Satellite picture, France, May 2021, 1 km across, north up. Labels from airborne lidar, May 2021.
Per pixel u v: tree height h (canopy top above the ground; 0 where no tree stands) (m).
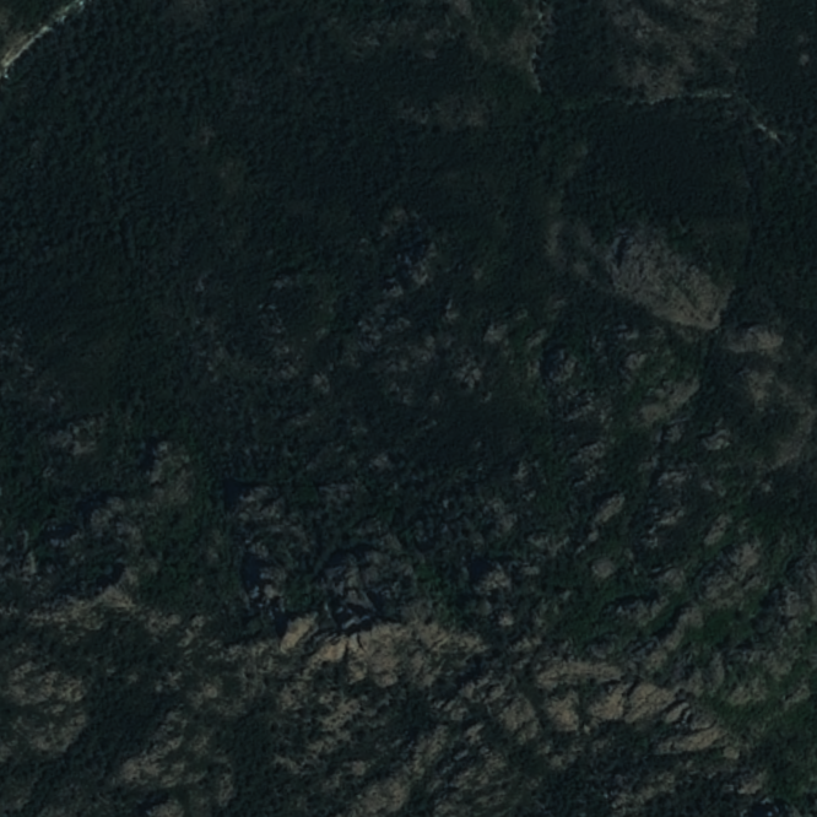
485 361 19
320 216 8
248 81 27
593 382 8
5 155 17
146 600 7
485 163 11
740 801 21
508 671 14
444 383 8
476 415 8
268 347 12
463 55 19
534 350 10
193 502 12
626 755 19
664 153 16
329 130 10
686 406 9
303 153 13
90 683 17
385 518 12
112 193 6
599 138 13
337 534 21
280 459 17
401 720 6
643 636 14
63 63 27
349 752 9
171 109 9
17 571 18
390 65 10
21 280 14
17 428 11
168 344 12
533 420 11
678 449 11
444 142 15
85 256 14
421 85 14
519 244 16
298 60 19
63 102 7
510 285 14
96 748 7
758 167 11
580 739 7
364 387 13
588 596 24
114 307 20
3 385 17
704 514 10
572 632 7
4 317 10
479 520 11
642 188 17
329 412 6
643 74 0
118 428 15
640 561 9
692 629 7
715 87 23
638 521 11
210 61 23
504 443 9
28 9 9
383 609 24
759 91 12
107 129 16
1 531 7
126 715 14
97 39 20
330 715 13
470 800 8
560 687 10
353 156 15
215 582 9
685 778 9
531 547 6
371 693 15
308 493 13
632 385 6
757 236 18
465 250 11
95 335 10
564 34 12
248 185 13
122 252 11
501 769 9
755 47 12
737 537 7
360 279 11
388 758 6
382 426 12
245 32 9
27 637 14
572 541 7
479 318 8
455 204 11
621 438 8
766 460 8
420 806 24
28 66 17
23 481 18
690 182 15
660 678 19
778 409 14
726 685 7
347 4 20
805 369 7
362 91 16
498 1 7
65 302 12
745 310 12
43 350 6
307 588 23
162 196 15
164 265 7
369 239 6
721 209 9
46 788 14
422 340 10
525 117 13
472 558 18
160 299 15
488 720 12
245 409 15
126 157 21
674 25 10
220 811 11
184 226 20
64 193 11
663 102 7
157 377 9
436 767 6
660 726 13
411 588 13
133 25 10
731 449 9
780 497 10
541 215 7
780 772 14
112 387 7
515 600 16
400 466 20
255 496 9
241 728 11
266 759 15
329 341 15
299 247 21
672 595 6
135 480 18
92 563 6
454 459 12
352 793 6
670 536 9
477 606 23
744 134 20
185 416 9
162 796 6
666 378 9
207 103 20
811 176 18
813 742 7
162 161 17
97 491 8
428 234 13
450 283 10
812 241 14
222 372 7
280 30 12
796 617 7
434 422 10
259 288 12
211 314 16
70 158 20
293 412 13
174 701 12
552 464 9
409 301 7
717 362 8
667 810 20
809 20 13
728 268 14
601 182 19
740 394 6
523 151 22
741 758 12
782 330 5
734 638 24
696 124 12
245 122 19
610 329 8
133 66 20
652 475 6
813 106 17
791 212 10
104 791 18
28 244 6
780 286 6
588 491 10
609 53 10
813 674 9
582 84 14
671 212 14
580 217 14
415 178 23
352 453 9
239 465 6
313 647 10
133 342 16
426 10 5
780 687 7
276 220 19
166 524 7
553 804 16
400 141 15
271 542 6
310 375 8
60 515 10
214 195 6
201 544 7
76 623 9
